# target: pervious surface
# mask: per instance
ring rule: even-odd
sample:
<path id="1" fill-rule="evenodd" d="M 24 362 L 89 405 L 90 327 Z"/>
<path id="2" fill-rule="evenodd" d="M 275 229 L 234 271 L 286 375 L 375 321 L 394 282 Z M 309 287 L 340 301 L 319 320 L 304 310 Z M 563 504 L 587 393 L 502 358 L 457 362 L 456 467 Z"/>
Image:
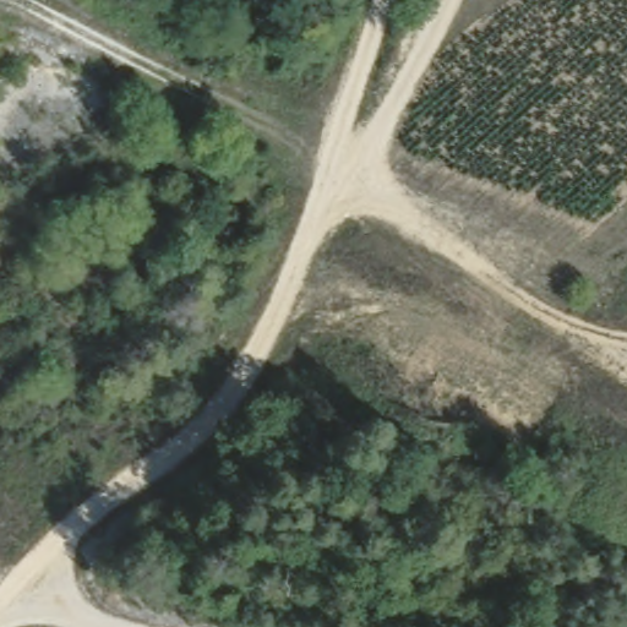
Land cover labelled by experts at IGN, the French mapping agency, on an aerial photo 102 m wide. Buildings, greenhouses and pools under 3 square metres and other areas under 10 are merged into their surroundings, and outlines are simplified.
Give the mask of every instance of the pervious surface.
<path id="1" fill-rule="evenodd" d="M 76 17 L 69 17 L 44 5 L 42 0 L 32 0 L 27 12 L 29 17 L 49 24 L 61 34 L 69 34 L 71 39 L 113 59 L 115 64 L 135 69 L 142 76 L 164 86 L 181 83 L 186 71 L 164 66 L 157 59 L 78 22 Z"/>
<path id="2" fill-rule="evenodd" d="M 387 0 L 375 0 L 365 2 L 367 22 L 362 24 L 355 54 L 348 61 L 348 69 L 340 78 L 340 88 L 333 98 L 331 113 L 321 132 L 321 147 L 316 154 L 314 184 L 309 193 L 287 260 L 277 277 L 274 291 L 245 350 L 240 353 L 235 358 L 233 375 L 211 397 L 203 416 L 198 416 L 198 424 L 184 426 L 179 436 L 169 438 L 162 448 L 152 451 L 145 458 L 135 470 L 125 468 L 115 473 L 105 487 L 100 487 L 98 495 L 91 495 L 54 531 L 44 534 L 39 544 L 20 563 L 15 563 L 10 573 L 0 580 L 0 627 L 145 627 L 110 617 L 86 600 L 76 583 L 73 556 L 69 546 L 93 522 L 98 522 L 118 500 L 130 497 L 145 482 L 152 482 L 154 478 L 171 470 L 181 458 L 196 451 L 206 434 L 213 434 L 213 429 L 233 402 L 245 404 L 242 397 L 247 389 L 247 377 L 255 375 L 269 358 L 289 318 L 294 296 L 304 284 L 314 252 L 321 247 L 326 235 L 331 235 L 348 218 L 385 220 L 394 225 L 404 238 L 421 242 L 429 250 L 448 257 L 512 306 L 522 309 L 531 318 L 539 318 L 556 333 L 566 333 L 573 350 L 578 350 L 588 362 L 598 362 L 612 377 L 627 385 L 627 331 L 605 328 L 583 318 L 571 316 L 556 306 L 519 289 L 505 272 L 490 265 L 485 257 L 480 257 L 468 242 L 463 242 L 441 223 L 431 220 L 426 213 L 419 213 L 414 208 L 416 193 L 402 186 L 397 181 L 397 174 L 389 169 L 389 145 L 394 140 L 399 120 L 404 118 L 407 105 L 416 96 L 424 71 L 429 69 L 434 54 L 441 47 L 463 0 L 441 0 L 438 10 L 431 20 L 424 22 L 424 27 L 411 29 L 402 37 L 399 51 L 387 69 L 387 81 L 392 86 L 382 98 L 380 108 L 375 110 L 375 115 L 362 125 L 355 120 L 355 113 L 382 44 L 380 17 L 385 15 Z"/>
<path id="3" fill-rule="evenodd" d="M 83 110 L 81 98 L 76 93 L 78 73 L 66 71 L 61 61 L 49 56 L 49 51 L 44 49 L 37 49 L 34 54 L 39 56 L 39 66 L 29 66 L 27 81 L 22 86 L 10 83 L 5 98 L 0 100 L 0 137 L 37 137 L 42 147 L 51 147 L 56 140 L 66 140 L 81 132 L 78 115 Z"/>

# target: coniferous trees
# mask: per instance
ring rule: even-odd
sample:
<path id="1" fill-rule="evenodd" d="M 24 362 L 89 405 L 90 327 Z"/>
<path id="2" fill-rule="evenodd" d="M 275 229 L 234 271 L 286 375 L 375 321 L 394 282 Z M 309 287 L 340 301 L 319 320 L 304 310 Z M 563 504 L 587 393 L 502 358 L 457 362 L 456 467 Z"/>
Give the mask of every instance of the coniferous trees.
<path id="1" fill-rule="evenodd" d="M 605 593 L 605 620 L 598 622 L 595 617 L 588 617 L 588 627 L 627 627 L 627 571 L 615 573 L 615 583 Z"/>

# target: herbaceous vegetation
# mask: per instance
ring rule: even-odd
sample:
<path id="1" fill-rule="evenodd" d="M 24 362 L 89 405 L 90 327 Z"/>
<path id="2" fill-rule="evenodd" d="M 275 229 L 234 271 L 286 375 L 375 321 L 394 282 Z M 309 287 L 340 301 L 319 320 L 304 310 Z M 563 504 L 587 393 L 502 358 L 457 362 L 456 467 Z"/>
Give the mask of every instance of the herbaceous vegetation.
<path id="1" fill-rule="evenodd" d="M 49 51 L 49 56 L 61 61 L 66 71 L 78 73 L 76 93 L 81 98 L 83 110 L 103 132 L 113 127 L 113 120 L 120 118 L 115 105 L 122 98 L 125 83 L 137 83 L 137 78 L 142 76 L 135 69 L 115 64 L 113 59 L 71 39 L 69 34 L 61 34 L 49 24 L 29 17 L 27 12 L 32 0 L 0 0 L 0 17 L 5 12 L 22 17 L 17 32 L 20 49 L 34 54 L 37 49 L 44 49 Z"/>
<path id="2" fill-rule="evenodd" d="M 20 497 L 10 487 L 0 487 L 0 580 L 10 573 L 15 563 L 20 563 L 39 544 L 44 534 L 54 531 L 91 495 L 98 495 L 100 487 L 91 485 L 91 460 L 78 451 L 69 451 L 73 463 L 71 478 L 64 478 L 59 485 L 49 485 L 42 509 L 20 502 Z"/>
<path id="3" fill-rule="evenodd" d="M 145 37 L 96 17 L 91 12 L 91 0 L 42 0 L 44 5 L 69 17 L 76 17 L 78 22 L 157 59 L 164 66 L 186 71 L 181 83 L 164 86 L 164 100 L 174 113 L 179 140 L 193 142 L 198 127 L 206 120 L 206 113 L 216 113 L 218 103 L 230 105 L 235 110 L 233 120 L 238 125 L 257 130 L 267 142 L 284 145 L 291 149 L 287 181 L 301 186 L 309 193 L 314 184 L 316 154 L 321 147 L 321 132 L 331 113 L 333 98 L 340 88 L 340 78 L 348 69 L 348 61 L 338 56 L 338 61 L 331 69 L 331 76 L 318 78 L 314 73 L 301 73 L 301 78 L 296 81 L 284 81 L 277 71 L 267 69 L 247 69 L 240 86 L 225 86 L 218 81 L 216 73 L 208 73 L 201 66 L 189 69 L 174 54 L 152 49 L 145 42 Z"/>
<path id="4" fill-rule="evenodd" d="M 193 541 L 198 522 L 193 519 L 193 514 L 196 509 L 208 507 L 216 500 L 220 482 L 220 463 L 213 460 L 218 456 L 218 446 L 213 434 L 206 434 L 196 451 L 181 458 L 171 470 L 154 478 L 152 482 L 145 482 L 130 497 L 118 500 L 98 522 L 93 522 L 69 546 L 73 556 L 76 583 L 86 600 L 110 617 L 145 627 L 213 627 L 186 625 L 174 612 L 130 607 L 122 600 L 120 590 L 113 593 L 110 588 L 103 588 L 103 583 L 96 578 L 91 568 L 103 556 L 113 556 L 118 549 L 125 554 L 125 558 L 135 561 L 135 556 L 140 554 L 140 544 L 157 531 L 176 546 L 184 541 Z"/>
<path id="5" fill-rule="evenodd" d="M 492 482 L 502 482 L 512 473 L 507 460 L 507 443 L 531 443 L 536 456 L 546 463 L 551 485 L 558 490 L 554 502 L 546 507 L 558 522 L 558 527 L 563 531 L 573 531 L 576 524 L 583 524 L 598 536 L 627 546 L 627 385 L 612 377 L 598 362 L 588 362 L 578 350 L 573 350 L 566 333 L 556 333 L 539 318 L 531 318 L 522 309 L 512 306 L 448 257 L 429 250 L 421 242 L 404 238 L 394 225 L 385 220 L 348 218 L 331 235 L 326 235 L 321 247 L 314 252 L 304 284 L 294 296 L 289 318 L 269 358 L 255 375 L 247 377 L 247 389 L 242 397 L 245 404 L 233 402 L 213 429 L 238 441 L 245 434 L 255 431 L 250 419 L 250 404 L 260 402 L 262 397 L 296 399 L 299 409 L 306 409 L 323 434 L 331 429 L 343 429 L 355 421 L 372 426 L 399 424 L 407 431 L 411 431 L 416 441 L 436 441 L 441 446 L 438 451 L 434 451 L 436 460 L 460 456 L 460 468 L 468 468 Z"/>
<path id="6" fill-rule="evenodd" d="M 316 603 L 309 607 L 294 605 L 284 610 L 282 620 L 274 627 L 340 627 L 340 612 L 331 612 L 328 605 Z"/>
<path id="7" fill-rule="evenodd" d="M 431 220 L 441 223 L 463 242 L 468 242 L 480 257 L 485 257 L 490 265 L 505 272 L 519 289 L 556 306 L 563 296 L 571 294 L 571 284 L 578 279 L 578 274 L 595 282 L 598 294 L 612 294 L 610 277 L 617 277 L 627 267 L 627 181 L 617 186 L 620 198 L 605 216 L 585 220 L 549 203 L 541 203 L 531 191 L 509 191 L 487 179 L 475 179 L 470 174 L 448 169 L 443 162 L 414 157 L 394 140 L 389 145 L 389 169 L 397 174 L 397 181 L 402 186 L 416 193 L 414 208 L 419 213 L 426 213 Z"/>
<path id="8" fill-rule="evenodd" d="M 448 497 L 429 500 L 426 495 L 416 495 L 404 512 L 375 509 L 377 517 L 382 517 L 389 524 L 392 539 L 399 541 L 409 554 L 416 554 L 436 544 L 441 529 L 446 527 L 443 514 L 453 507 L 453 500 Z"/>
<path id="9" fill-rule="evenodd" d="M 470 56 L 470 49 L 460 37 L 485 29 L 495 20 L 497 10 L 517 7 L 522 0 L 463 0 L 441 47 L 458 51 L 460 56 Z"/>
<path id="10" fill-rule="evenodd" d="M 149 421 L 145 431 L 137 429 L 140 456 L 145 458 L 152 451 L 162 448 L 169 438 L 179 436 L 184 426 L 198 424 L 198 416 L 203 416 L 211 397 L 233 375 L 235 358 L 240 353 L 216 348 L 213 355 L 198 360 L 198 370 L 191 375 L 191 385 L 198 397 L 196 409 L 176 421 Z"/>

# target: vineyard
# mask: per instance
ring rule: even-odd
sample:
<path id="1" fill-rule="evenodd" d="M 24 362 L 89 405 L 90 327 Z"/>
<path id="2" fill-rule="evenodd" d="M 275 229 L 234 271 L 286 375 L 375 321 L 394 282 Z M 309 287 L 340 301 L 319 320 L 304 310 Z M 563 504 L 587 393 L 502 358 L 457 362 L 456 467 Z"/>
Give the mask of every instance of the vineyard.
<path id="1" fill-rule="evenodd" d="M 585 220 L 605 216 L 620 198 L 617 186 L 627 181 L 627 0 L 522 0 L 517 7 L 497 10 L 495 20 L 485 29 L 460 37 L 470 49 L 470 56 L 460 56 L 458 51 L 441 47 L 434 54 L 429 69 L 424 71 L 416 96 L 407 105 L 404 118 L 399 120 L 394 140 L 414 157 L 443 162 L 448 169 L 470 174 L 475 179 L 487 179 L 509 191 L 531 191 L 541 203 L 549 203 Z"/>

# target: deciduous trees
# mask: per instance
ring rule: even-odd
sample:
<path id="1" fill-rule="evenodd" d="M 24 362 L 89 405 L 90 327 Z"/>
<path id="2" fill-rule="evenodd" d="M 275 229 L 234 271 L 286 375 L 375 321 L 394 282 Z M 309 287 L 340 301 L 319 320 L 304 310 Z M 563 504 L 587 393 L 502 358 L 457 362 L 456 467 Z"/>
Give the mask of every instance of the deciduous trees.
<path id="1" fill-rule="evenodd" d="M 213 434 L 218 446 L 218 456 L 213 460 L 220 463 L 220 482 L 216 500 L 208 507 L 196 509 L 193 514 L 193 519 L 198 522 L 193 541 L 184 541 L 176 546 L 157 531 L 140 544 L 140 554 L 135 556 L 135 561 L 125 558 L 125 554 L 118 549 L 113 556 L 103 556 L 91 568 L 96 578 L 103 583 L 103 588 L 110 588 L 113 593 L 120 590 L 122 600 L 130 607 L 174 612 L 186 625 L 213 627 L 274 627 L 282 620 L 284 610 L 294 605 L 309 607 L 316 603 L 328 605 L 331 612 L 340 612 L 340 627 L 588 627 L 588 617 L 595 617 L 598 622 L 605 620 L 605 593 L 615 583 L 615 573 L 627 571 L 627 546 L 598 536 L 583 524 L 576 524 L 573 531 L 563 531 L 558 527 L 558 522 L 546 507 L 554 502 L 558 490 L 551 485 L 546 463 L 536 456 L 531 443 L 507 443 L 507 460 L 512 473 L 502 482 L 492 482 L 468 468 L 460 468 L 460 456 L 436 460 L 434 451 L 438 451 L 441 446 L 436 441 L 416 441 L 411 431 L 407 431 L 399 424 L 372 426 L 355 421 L 343 429 L 331 429 L 323 434 L 306 409 L 299 409 L 296 399 L 262 397 L 260 402 L 250 404 L 250 419 L 255 431 L 245 434 L 238 441 L 213 429 Z M 448 497 L 453 500 L 453 507 L 443 514 L 446 527 L 441 529 L 436 544 L 416 554 L 409 554 L 399 541 L 392 539 L 389 524 L 382 517 L 377 517 L 375 509 L 404 512 L 416 495 L 426 495 L 429 500 Z"/>
<path id="2" fill-rule="evenodd" d="M 583 318 L 585 311 L 595 304 L 598 294 L 595 282 L 578 274 L 578 279 L 571 284 L 571 294 L 563 296 L 556 306 L 571 316 Z"/>
<path id="3" fill-rule="evenodd" d="M 179 140 L 174 113 L 164 100 L 164 86 L 142 76 L 137 78 L 137 83 L 125 83 L 122 98 L 115 105 L 120 118 L 113 120 L 113 127 L 103 132 L 110 142 L 115 142 L 113 171 L 105 176 L 96 174 L 93 181 L 98 186 L 88 186 L 81 201 L 56 198 L 51 203 L 51 213 L 56 218 L 49 223 L 47 230 L 37 235 L 34 250 L 24 260 L 0 260 L 0 487 L 10 487 L 20 497 L 20 502 L 42 509 L 49 485 L 59 485 L 64 478 L 71 478 L 73 463 L 69 451 L 78 451 L 91 460 L 91 485 L 100 487 L 105 487 L 115 473 L 125 468 L 135 470 L 145 458 L 140 456 L 137 429 L 145 431 L 149 421 L 176 421 L 196 409 L 198 397 L 191 385 L 191 375 L 198 370 L 198 360 L 213 355 L 216 348 L 240 353 L 245 350 L 274 291 L 277 277 L 287 260 L 309 193 L 301 186 L 287 181 L 291 149 L 284 145 L 267 142 L 257 130 L 238 125 L 233 120 L 235 110 L 230 105 L 218 103 L 216 113 L 206 113 L 206 120 L 198 127 L 193 142 Z"/>
<path id="4" fill-rule="evenodd" d="M 375 110 L 380 108 L 382 98 L 392 86 L 387 81 L 387 69 L 399 51 L 402 37 L 411 29 L 424 27 L 424 22 L 431 20 L 438 10 L 441 0 L 387 0 L 385 15 L 380 17 L 382 44 L 355 113 L 355 120 L 362 125 L 375 115 Z"/>
<path id="5" fill-rule="evenodd" d="M 240 86 L 247 69 L 267 69 L 277 71 L 284 81 L 296 81 L 301 78 L 301 73 L 314 73 L 318 78 L 331 76 L 331 69 L 338 61 L 338 56 L 348 61 L 355 54 L 362 24 L 367 22 L 365 2 L 375 0 L 91 0 L 91 12 L 96 17 L 145 37 L 145 42 L 152 49 L 174 54 L 189 69 L 201 66 L 208 73 L 216 73 L 218 81 L 225 86 Z"/>

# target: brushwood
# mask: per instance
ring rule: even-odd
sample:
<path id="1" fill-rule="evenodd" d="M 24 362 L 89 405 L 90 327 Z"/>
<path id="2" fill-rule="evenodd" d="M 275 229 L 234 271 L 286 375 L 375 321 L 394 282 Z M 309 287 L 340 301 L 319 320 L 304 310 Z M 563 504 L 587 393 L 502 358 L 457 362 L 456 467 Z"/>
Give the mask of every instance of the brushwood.
<path id="1" fill-rule="evenodd" d="M 98 186 L 93 181 L 96 174 L 105 176 L 113 171 L 115 142 L 110 142 L 103 132 L 83 110 L 78 115 L 81 132 L 66 140 L 56 140 L 51 147 L 42 147 L 37 137 L 0 137 L 0 260 L 24 260 L 34 250 L 37 235 L 47 230 L 49 223 L 56 218 L 51 213 L 51 203 L 56 198 L 81 201 L 88 186 Z"/>
<path id="2" fill-rule="evenodd" d="M 583 318 L 605 328 L 627 331 L 627 267 L 617 277 L 610 277 L 612 294 L 598 294 L 595 304 L 585 311 Z"/>
<path id="3" fill-rule="evenodd" d="M 22 86 L 27 81 L 29 66 L 39 66 L 39 56 L 34 54 L 20 49 L 17 32 L 22 17 L 5 12 L 0 17 L 0 100 L 5 98 L 10 83 Z"/>

